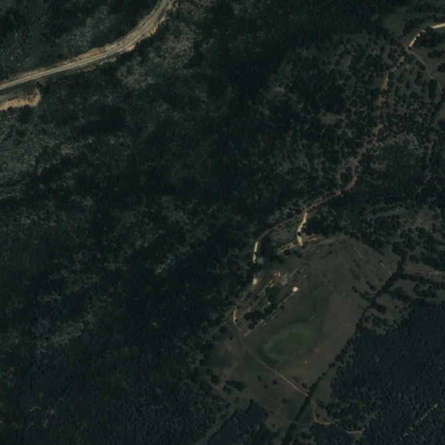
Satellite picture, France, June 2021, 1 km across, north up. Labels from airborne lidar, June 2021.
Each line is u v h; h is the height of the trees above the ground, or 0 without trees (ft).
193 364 20
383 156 19
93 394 26
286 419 0
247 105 28
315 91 30
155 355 27
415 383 52
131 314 25
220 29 27
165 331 35
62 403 51
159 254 25
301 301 0
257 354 0
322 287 0
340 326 0
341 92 42
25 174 19
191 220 31
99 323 22
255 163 21
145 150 26
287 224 19
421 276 24
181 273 37
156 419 51
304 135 31
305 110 39
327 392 0
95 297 21
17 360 27
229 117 38
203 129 30
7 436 42
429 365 46
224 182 32
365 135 24
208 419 29
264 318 36
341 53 28
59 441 26
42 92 26
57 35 29
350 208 28
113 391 29
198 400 26
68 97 19
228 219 23
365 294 22
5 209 25
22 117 25
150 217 33
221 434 51
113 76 25
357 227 34
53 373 29
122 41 0
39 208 21
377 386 41
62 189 29
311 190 26
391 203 31
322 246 0
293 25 27
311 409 0
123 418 35
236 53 24
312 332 0
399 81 37
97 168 30
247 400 0
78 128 27
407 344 44
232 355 0
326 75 33
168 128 24
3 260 27
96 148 30
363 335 35
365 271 0
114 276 24
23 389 28
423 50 0
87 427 21
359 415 36
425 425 45
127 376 24
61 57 55
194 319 33
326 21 28
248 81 47
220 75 29
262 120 25
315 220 39
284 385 0
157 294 25
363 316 21
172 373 28
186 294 25
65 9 22
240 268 25
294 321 0
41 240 30
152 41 21
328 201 28
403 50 28
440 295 0
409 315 28
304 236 0
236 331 0
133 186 41
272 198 39
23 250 23
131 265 23
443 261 45
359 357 37
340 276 0
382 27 39
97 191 23
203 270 23
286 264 0
